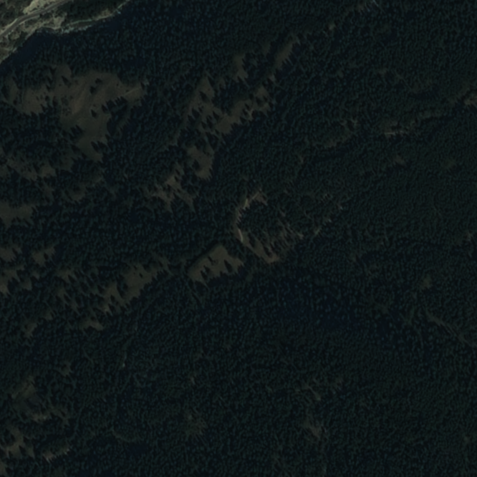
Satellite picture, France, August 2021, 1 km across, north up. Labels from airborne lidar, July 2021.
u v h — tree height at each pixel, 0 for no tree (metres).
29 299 22
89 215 11
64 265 27
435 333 26
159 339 20
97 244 24
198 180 22
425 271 20
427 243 10
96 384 22
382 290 28
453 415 17
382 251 8
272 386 14
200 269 0
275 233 21
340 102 16
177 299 24
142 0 14
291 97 17
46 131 6
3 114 15
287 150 21
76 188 15
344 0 19
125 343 15
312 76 10
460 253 15
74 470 28
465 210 20
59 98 0
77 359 17
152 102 21
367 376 19
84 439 27
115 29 11
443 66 22
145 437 29
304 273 7
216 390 17
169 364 20
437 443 19
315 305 23
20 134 10
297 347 24
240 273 0
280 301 17
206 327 12
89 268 24
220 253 0
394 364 20
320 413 11
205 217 18
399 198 18
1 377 20
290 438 26
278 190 16
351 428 17
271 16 24
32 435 19
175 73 15
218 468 31
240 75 0
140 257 15
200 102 0
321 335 15
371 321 7
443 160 22
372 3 0
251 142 28
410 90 26
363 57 21
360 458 12
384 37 6
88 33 11
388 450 12
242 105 0
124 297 21
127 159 13
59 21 0
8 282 0
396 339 20
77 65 23
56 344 19
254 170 27
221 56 15
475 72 19
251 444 23
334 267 22
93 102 0
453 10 18
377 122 26
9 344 9
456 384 19
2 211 0
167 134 20
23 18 0
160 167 15
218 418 27
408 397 21
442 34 10
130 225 15
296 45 0
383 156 28
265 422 21
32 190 18
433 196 20
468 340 0
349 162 23
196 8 28
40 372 25
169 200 0
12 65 11
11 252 0
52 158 8
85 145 0
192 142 21
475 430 18
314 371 23
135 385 24
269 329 17
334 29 0
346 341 20
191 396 10
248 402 13
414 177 23
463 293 19
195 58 25
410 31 22
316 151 15
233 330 13
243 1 21
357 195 18
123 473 31
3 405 24
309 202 13
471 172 21
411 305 21
